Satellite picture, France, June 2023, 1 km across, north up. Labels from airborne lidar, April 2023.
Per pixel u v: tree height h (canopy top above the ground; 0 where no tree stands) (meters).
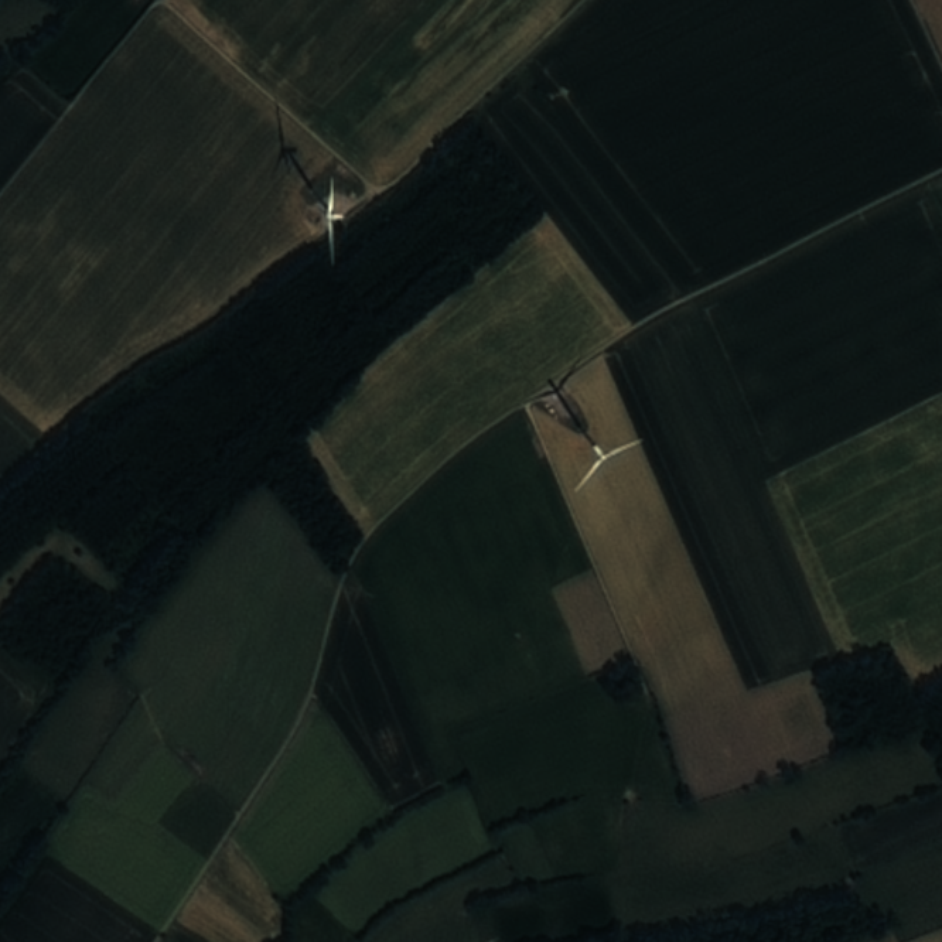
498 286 0
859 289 0
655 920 0
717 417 0
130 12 0
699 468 0
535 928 0
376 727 0
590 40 0
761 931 24
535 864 0
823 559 0
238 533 0
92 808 0
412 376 0
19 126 0
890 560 0
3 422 0
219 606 0
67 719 0
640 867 0
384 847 0
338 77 0
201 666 0
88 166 0
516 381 0
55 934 0
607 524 0
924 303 0
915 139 0
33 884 0
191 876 0
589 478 0
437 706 0
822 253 0
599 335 0
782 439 0
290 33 0
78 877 0
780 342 0
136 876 0
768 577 0
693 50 0
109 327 0
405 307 8
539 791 0
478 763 0
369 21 0
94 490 26
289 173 0
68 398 0
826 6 0
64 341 0
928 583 0
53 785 0
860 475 0
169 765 0
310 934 0
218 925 0
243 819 0
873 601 0
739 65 0
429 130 0
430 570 0
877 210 0
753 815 0
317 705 0
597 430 0
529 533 0
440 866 0
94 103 0
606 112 0
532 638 0
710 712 0
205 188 0
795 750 0
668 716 0
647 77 0
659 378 0
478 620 0
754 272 0
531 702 0
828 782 0
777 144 0
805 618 0
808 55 0
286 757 0
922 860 0
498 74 0
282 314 17
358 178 0
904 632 0
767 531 0
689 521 0
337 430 0
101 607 18
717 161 0
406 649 0
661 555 0
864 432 0
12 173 0
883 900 0
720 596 0
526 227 12
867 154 0
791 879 0
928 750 15
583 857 0
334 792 0
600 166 0
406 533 0
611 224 0
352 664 0
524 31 0
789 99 0
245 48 0
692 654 0
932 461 0
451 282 10
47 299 0
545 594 0
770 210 0
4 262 0
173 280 0
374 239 16
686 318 0
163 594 16
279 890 0
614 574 0
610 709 0
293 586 0
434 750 0
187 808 0
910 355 0
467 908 7
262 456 15
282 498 13
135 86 0
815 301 0
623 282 0
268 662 0
